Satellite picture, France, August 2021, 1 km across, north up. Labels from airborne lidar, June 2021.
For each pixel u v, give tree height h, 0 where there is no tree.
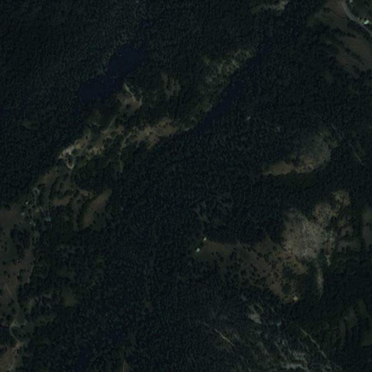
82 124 19
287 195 16
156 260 9
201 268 16
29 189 19
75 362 10
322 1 17
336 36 11
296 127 18
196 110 6
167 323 28
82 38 25
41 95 15
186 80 13
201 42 13
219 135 24
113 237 27
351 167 30
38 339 15
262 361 13
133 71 22
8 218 0
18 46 19
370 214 0
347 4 9
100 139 0
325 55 11
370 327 11
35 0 29
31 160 7
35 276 16
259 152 11
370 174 24
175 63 12
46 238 16
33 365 9
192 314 22
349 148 27
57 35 19
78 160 10
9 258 0
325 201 14
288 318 16
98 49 7
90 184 25
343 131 10
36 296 18
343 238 7
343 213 11
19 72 24
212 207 18
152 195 20
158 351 8
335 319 13
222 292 7
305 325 15
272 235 18
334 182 25
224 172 26
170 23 22
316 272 7
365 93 16
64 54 19
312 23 0
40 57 14
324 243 8
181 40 8
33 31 19
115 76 22
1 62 20
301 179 12
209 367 17
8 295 0
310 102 16
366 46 0
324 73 15
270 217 27
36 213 0
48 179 0
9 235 0
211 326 15
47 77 16
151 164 10
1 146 14
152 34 8
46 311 29
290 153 6
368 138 19
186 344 22
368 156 11
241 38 16
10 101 22
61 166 9
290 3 13
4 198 18
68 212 14
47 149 10
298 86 10
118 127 8
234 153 7
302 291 12
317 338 16
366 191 31
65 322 12
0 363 0
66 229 15
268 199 32
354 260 10
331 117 21
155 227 8
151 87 23
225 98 20
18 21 24
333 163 14
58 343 10
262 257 11
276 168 0
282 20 17
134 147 11
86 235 32
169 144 32
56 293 11
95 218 0
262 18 23
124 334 8
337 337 14
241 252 0
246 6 13
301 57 24
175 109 15
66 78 11
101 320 7
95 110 17
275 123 22
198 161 24
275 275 7
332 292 30
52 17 28
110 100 20
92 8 22
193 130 7
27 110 18
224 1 25
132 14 8
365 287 14
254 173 8
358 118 16
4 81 20
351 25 8
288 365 0
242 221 26
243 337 14
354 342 25
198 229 26
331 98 21
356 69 12
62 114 10
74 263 8
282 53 12
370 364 12
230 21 17
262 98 22
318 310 23
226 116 19
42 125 12
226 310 19
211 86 8
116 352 8
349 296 14
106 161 9
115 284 6
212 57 12
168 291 20
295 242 0
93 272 25
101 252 10
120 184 13
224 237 22
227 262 0
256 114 24
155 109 9
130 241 9
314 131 12
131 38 16
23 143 24
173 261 15
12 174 11
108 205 12
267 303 13
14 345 18
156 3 24
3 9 16
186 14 11
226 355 17
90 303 7
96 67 14
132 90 17
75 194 7
